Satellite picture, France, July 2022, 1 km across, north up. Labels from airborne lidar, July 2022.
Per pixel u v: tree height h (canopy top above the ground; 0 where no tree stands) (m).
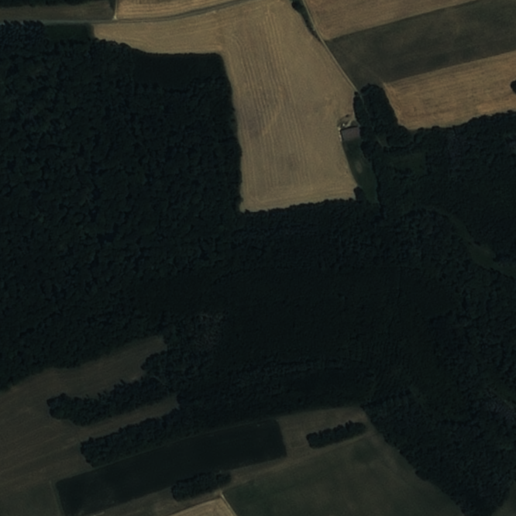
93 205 33
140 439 21
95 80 26
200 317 17
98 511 0
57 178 33
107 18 0
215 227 32
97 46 19
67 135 29
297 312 17
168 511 0
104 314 12
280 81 0
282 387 16
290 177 0
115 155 32
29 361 33
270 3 0
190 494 15
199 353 15
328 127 0
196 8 0
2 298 33
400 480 0
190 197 31
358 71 0
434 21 0
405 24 0
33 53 30
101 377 0
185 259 34
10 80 28
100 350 31
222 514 0
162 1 0
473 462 19
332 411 0
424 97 0
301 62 0
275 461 0
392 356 8
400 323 10
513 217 13
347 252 27
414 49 0
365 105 7
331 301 18
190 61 8
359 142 0
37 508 0
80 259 29
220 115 9
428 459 17
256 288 18
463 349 25
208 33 0
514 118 22
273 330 15
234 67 0
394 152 17
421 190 12
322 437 18
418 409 25
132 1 0
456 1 0
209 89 20
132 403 22
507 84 0
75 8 0
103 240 10
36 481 0
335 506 0
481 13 0
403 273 11
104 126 22
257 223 17
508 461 27
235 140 20
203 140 29
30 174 34
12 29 32
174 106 25
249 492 0
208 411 16
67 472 0
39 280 29
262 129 0
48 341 31
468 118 0
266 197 0
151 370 10
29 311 30
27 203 37
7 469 0
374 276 13
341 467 0
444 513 0
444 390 9
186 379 12
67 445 0
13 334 30
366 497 0
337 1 0
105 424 0
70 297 29
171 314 14
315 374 12
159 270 33
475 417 28
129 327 28
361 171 0
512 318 25
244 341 15
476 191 13
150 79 7
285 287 17
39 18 0
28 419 0
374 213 7
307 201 0
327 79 0
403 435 22
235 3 0
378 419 21
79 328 29
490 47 0
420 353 12
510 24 0
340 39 0
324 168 0
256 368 22
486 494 12
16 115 8
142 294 17
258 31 0
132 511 0
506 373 6
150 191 34
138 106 29
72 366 13
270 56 0
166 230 36
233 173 18
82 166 28
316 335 17
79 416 13
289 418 0
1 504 0
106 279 29
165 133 21
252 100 0
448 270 26
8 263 28
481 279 26
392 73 0
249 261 19
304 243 19
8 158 29
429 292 13
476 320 14
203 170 25
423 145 15
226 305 18
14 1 25
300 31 0
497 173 25
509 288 23
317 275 17
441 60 0
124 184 32
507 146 24
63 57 29
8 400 0
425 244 24
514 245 14
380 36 0
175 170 29
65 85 27
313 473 0
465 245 16
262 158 0
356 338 9
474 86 0
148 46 0
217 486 11
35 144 32
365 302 13
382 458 0
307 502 0
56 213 38
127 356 0
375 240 24
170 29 0
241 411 13
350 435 16
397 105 0
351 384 10
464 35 0
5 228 37
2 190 36
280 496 0
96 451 17
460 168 13
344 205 15
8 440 0
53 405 18
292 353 13
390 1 0
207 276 17
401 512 0
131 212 26
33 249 29
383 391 8
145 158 28
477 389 25
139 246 32
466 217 11
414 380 8
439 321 27
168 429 23
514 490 0
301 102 0
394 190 14
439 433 24
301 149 0
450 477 17
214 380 12
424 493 0
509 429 26
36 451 0
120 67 24
